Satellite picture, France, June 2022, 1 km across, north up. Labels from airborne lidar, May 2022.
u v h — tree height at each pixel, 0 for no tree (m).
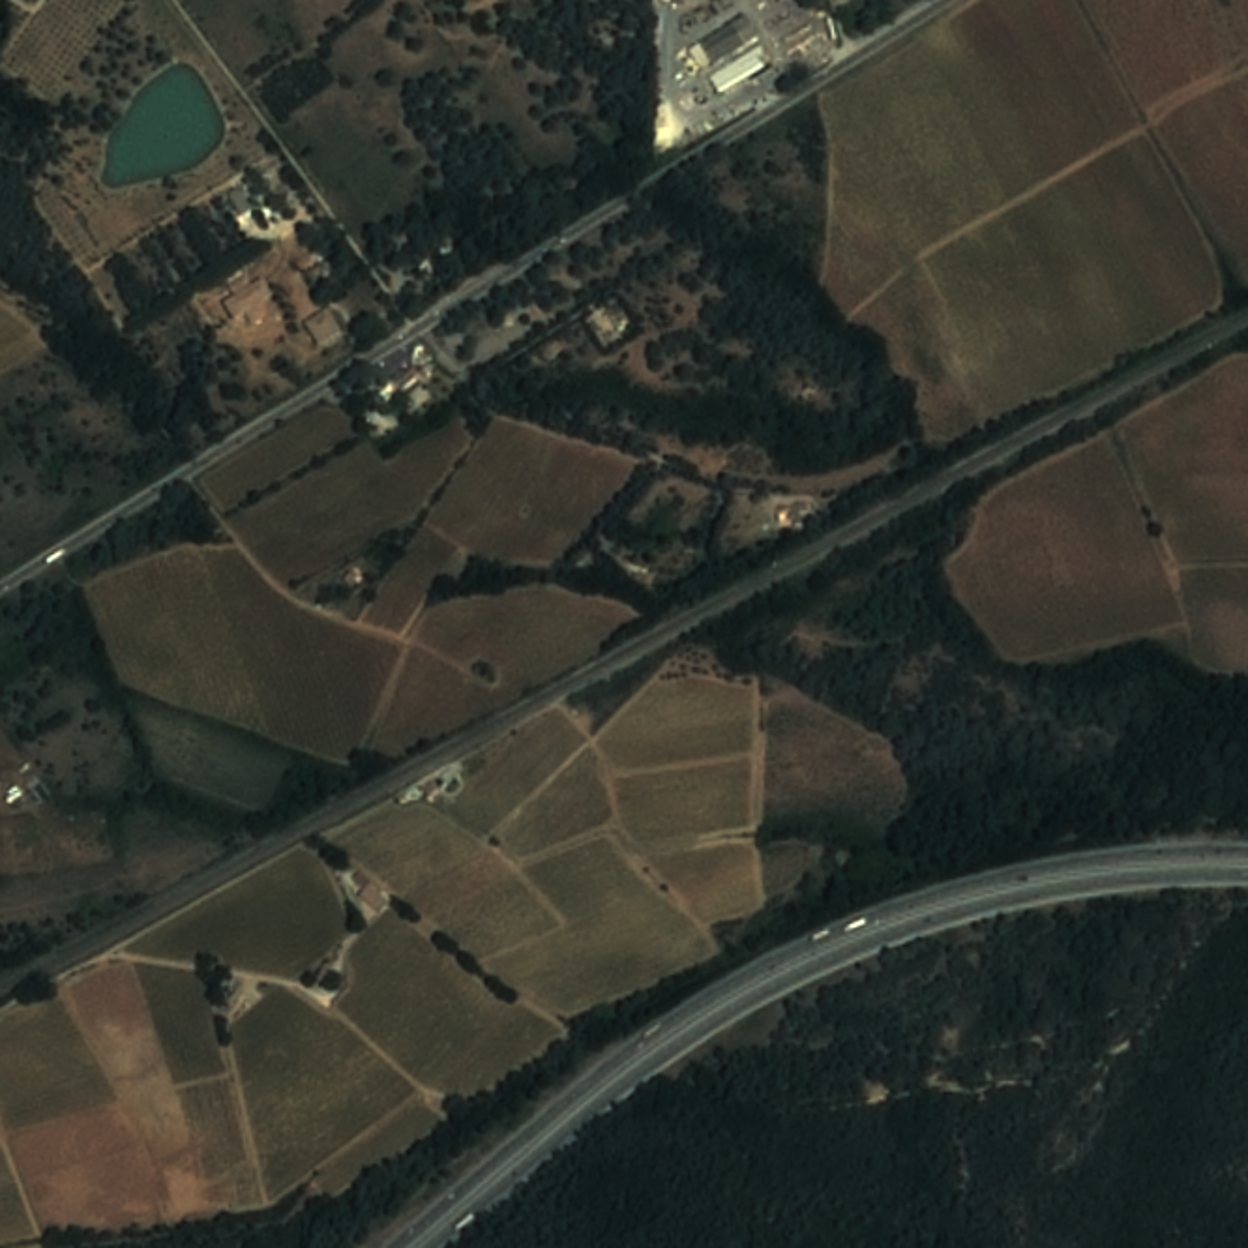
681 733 0
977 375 0
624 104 21
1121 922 7
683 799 0
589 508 0
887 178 0
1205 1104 9
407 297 12
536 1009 0
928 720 15
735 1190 13
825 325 16
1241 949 14
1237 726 13
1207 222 0
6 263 9
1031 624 0
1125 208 0
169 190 9
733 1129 13
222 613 0
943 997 13
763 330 16
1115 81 0
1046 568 0
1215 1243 12
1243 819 12
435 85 16
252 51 0
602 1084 0
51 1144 0
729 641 6
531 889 0
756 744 0
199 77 0
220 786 0
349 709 0
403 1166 20
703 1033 0
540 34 15
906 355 0
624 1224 19
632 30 20
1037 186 0
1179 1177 8
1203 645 0
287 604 0
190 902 0
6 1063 0
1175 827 12
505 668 0
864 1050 11
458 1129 16
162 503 9
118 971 0
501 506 0
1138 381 0
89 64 12
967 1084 10
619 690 0
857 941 0
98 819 0
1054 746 12
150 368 14
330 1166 0
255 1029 0
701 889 0
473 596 12
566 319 12
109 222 0
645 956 0
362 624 0
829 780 0
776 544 11
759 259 20
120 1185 0
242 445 0
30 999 14
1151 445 0
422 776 0
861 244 0
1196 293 0
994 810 23
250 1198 0
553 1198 22
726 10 0
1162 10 0
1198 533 0
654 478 13
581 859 0
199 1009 0
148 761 7
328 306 17
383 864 0
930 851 28
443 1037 0
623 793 0
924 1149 10
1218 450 0
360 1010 0
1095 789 9
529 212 23
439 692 0
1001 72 0
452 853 0
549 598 0
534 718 0
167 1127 0
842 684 19
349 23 8
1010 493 0
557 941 0
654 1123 16
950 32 0
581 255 19
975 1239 9
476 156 19
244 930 0
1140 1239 12
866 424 20
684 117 0
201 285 14
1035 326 0
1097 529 0
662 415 8
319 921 0
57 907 0
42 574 0
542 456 0
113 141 0
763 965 0
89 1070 0
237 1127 0
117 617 0
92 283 14
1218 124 0
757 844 8
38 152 16
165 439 5
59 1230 9
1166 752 18
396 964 0
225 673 0
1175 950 12
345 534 0
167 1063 0
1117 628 0
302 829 0
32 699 9
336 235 18
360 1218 17
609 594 11
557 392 8
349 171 0
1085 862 0
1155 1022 6
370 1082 0
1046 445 11
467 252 22
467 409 11
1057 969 6
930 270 0
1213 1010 14
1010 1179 11
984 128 0
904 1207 16
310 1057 0
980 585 0
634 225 19
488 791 0
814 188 0
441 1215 0
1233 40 0
